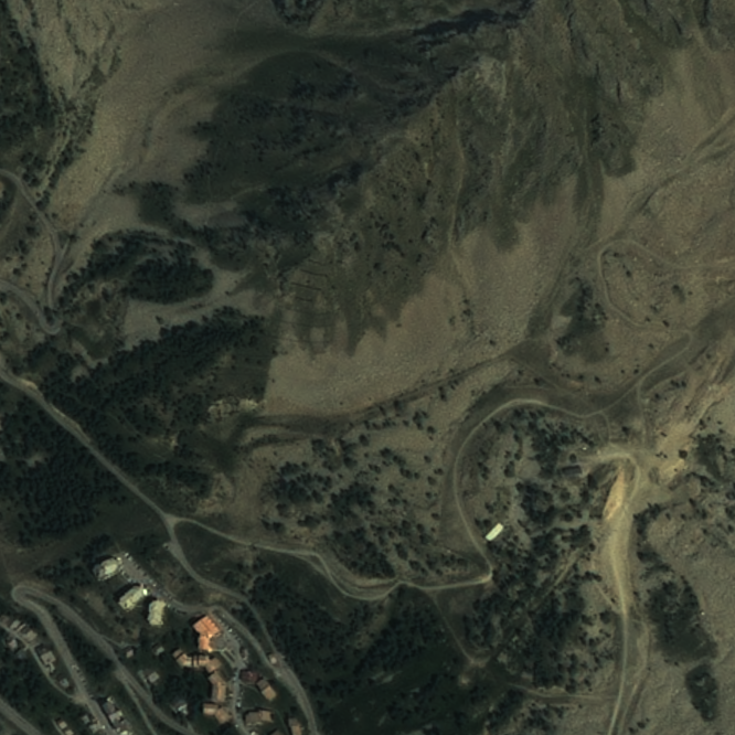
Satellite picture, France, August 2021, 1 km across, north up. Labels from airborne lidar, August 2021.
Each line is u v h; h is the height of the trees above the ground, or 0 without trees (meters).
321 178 0
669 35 0
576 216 0
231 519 0
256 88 0
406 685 0
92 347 0
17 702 15
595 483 13
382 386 0
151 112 0
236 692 0
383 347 0
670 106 0
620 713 0
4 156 0
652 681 0
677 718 0
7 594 0
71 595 0
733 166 0
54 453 18
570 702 0
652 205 0
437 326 0
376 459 0
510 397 0
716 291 0
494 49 0
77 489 15
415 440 0
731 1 0
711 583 0
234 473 0
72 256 0
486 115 0
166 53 0
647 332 0
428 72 0
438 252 0
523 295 0
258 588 9
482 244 0
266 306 0
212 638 0
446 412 0
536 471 0
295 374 0
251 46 0
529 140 0
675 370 0
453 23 0
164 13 0
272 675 0
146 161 0
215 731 0
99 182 0
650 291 0
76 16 0
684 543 0
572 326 0
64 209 0
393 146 0
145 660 0
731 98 0
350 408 0
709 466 0
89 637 0
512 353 0
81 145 0
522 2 0
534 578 7
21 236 0
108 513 0
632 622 0
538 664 8
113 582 0
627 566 0
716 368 0
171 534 0
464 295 0
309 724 0
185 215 0
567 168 0
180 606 0
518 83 0
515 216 0
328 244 0
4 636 15
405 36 0
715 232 0
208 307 0
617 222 0
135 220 0
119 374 12
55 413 0
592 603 0
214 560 0
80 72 0
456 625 0
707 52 0
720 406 0
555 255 0
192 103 0
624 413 0
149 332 0
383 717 0
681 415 0
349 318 0
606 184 0
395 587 0
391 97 0
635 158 0
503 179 0
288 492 20
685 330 0
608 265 0
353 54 0
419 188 0
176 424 8
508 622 7
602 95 0
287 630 16
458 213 0
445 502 0
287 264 0
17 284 0
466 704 0
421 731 0
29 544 15
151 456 0
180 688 18
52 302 0
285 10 0
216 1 0
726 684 0
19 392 0
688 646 0
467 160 0
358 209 0
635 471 0
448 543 0
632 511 0
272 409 0
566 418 0
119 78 0
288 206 9
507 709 15
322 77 0
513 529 0
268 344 0
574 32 0
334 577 0
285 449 0
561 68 0
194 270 6
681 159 0
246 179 0
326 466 9
